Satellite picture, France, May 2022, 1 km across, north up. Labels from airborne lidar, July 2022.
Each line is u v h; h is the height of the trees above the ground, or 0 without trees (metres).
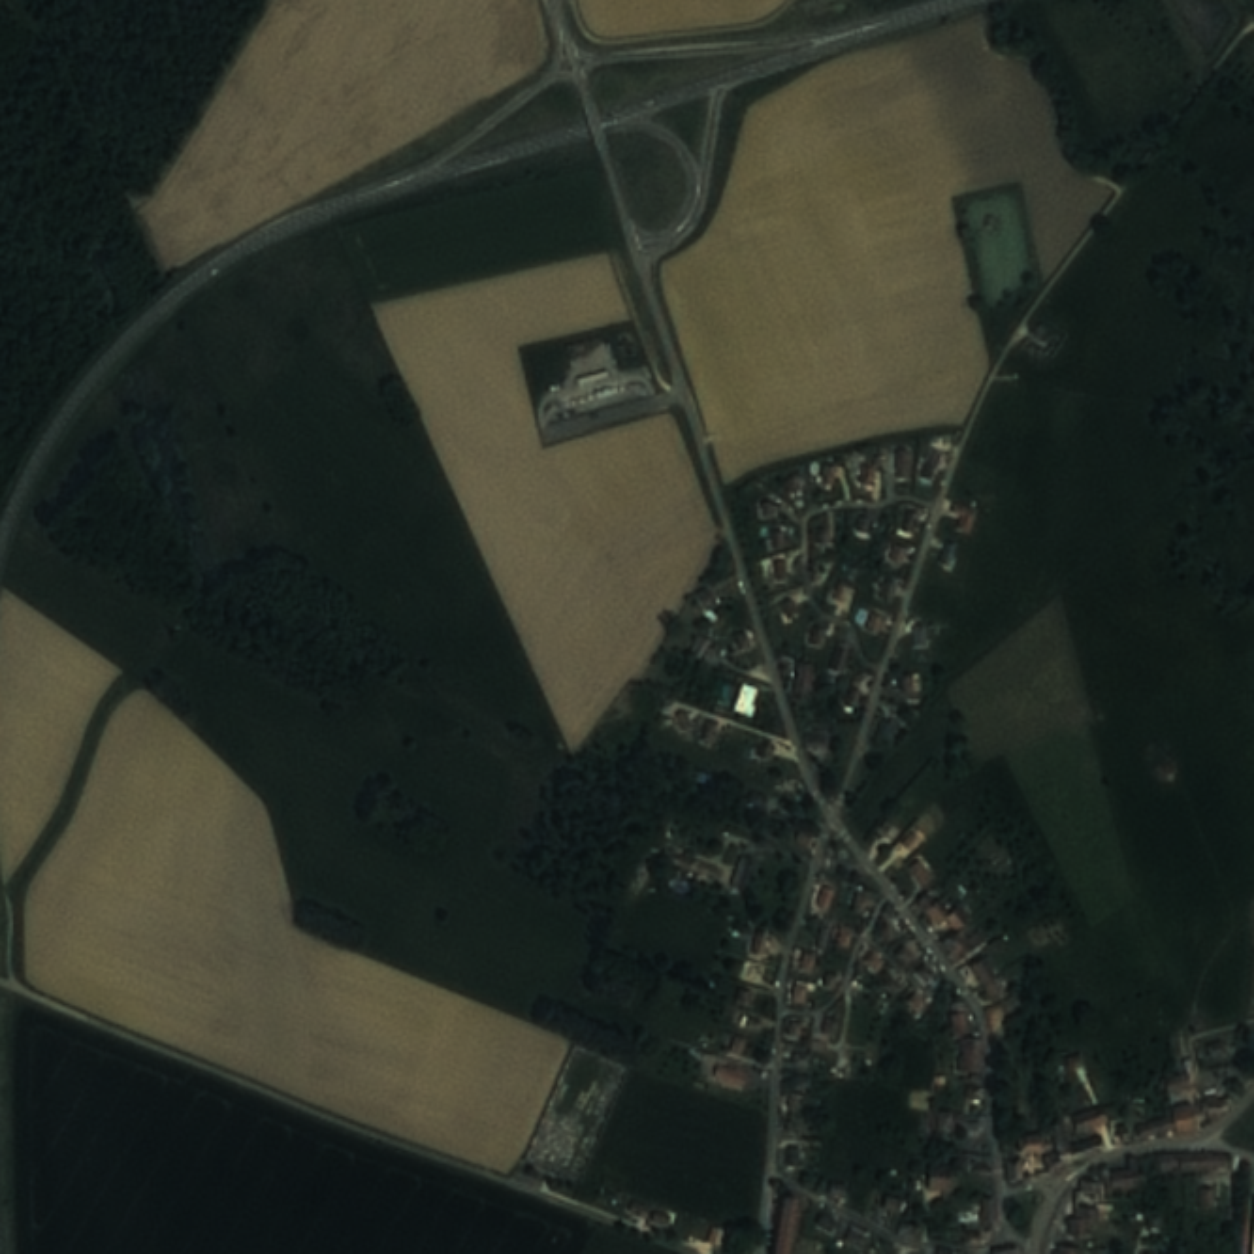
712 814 24
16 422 22
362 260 0
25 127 17
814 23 0
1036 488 0
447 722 0
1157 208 0
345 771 0
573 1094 0
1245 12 0
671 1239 17
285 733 0
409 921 0
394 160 0
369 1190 0
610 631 0
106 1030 0
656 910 0
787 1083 7
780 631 0
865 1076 8
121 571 23
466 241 0
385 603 0
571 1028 20
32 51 8
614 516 0
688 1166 0
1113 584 0
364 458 0
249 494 0
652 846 0
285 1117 0
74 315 21
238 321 0
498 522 0
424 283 0
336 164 0
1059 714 0
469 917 0
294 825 0
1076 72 0
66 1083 0
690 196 0
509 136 0
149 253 6
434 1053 0
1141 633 0
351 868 0
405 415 12
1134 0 0
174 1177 0
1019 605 0
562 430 0
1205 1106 0
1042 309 0
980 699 0
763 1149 0
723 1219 0
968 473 0
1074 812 0
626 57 0
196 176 0
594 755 7
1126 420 0
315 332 0
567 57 0
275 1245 0
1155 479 0
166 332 0
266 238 0
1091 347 0
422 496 0
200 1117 0
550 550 0
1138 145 17
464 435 0
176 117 20
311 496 0
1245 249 17
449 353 0
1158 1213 6
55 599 0
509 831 0
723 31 0
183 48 18
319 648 24
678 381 0
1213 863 0
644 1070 0
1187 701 0
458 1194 0
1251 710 0
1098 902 0
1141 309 0
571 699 0
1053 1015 10
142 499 21
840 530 6
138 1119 0
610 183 0
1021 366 0
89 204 11
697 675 12
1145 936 0
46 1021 0
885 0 0
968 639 0
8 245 21
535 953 0
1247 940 0
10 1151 0
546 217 0
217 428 0
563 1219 0
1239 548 0
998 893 6
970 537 0
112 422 0
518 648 0
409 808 8
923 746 0
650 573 0
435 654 0
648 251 0
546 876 12
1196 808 0
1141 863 0
